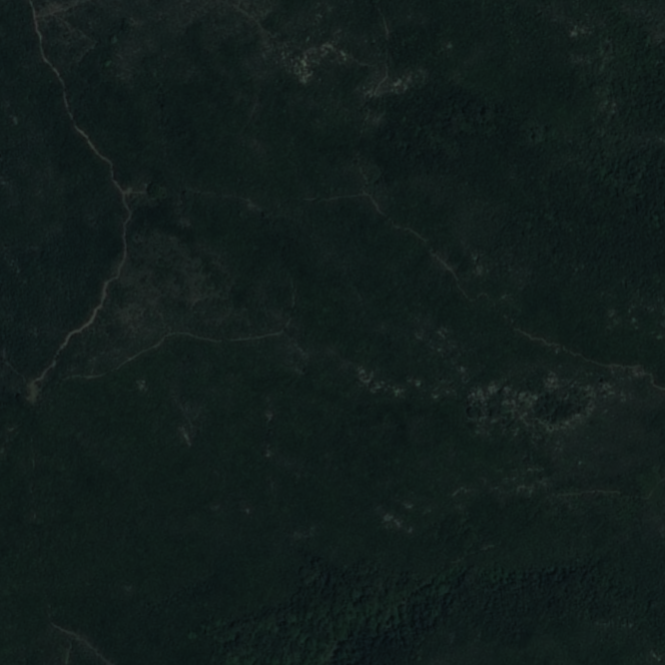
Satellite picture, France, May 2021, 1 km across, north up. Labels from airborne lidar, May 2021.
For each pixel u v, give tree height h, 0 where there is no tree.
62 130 6
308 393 7
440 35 9
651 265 10
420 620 7
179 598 8
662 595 6
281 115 7
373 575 15
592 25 7
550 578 14
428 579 6
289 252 8
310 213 6
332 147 7
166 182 6
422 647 7
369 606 9
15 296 6
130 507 6
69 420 6
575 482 6
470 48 6
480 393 6
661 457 5
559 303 8
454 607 12
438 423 8
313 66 7
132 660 5
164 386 6
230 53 6
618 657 8
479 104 9
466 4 9
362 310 7
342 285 6
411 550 7
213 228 6
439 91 8
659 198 14
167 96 7
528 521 7
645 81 13
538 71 7
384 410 7
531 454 8
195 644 5
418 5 7
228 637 13
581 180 9
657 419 6
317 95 5
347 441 6
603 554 6
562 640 6
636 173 16
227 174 6
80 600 6
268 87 6
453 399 7
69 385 5
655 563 5
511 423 13
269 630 7
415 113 9
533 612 11
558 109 7
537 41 6
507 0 6
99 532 6
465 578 15
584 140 6
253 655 13
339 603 7
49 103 6
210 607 6
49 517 6
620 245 10
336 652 9
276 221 5
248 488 6
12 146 6
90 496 6
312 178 7
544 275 7
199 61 6
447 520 9
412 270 6
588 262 8
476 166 6
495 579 10
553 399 11
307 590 11
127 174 6
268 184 7
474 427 11
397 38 8
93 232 5
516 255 7
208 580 5
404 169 7
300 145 5
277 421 6
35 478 6
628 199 17
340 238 6
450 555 7
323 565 13
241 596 5
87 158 6
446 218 5
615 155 10
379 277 5
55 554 5
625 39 10
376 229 6
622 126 7
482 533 9
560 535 8
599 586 11
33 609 5
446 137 11
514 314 5
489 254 6
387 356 6
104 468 6
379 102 8
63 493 6
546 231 13
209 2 0
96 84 6
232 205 6
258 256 7
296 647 10
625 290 9
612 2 7
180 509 6
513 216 9
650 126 9
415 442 6
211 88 7
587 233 14
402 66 6
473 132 7
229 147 5
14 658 6
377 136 7
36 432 6
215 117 6
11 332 6
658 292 13
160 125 8
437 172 7
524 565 8
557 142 8
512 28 6
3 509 5
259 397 6
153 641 6
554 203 9
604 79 12
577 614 8
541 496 6
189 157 7
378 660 16
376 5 7
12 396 7
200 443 6
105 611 6
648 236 15
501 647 6
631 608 9
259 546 6
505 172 6
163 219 6
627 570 7
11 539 6
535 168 8
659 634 9
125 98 6
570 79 9
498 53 6
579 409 11
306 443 6
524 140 9
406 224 5
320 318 5
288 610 14
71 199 6
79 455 6
